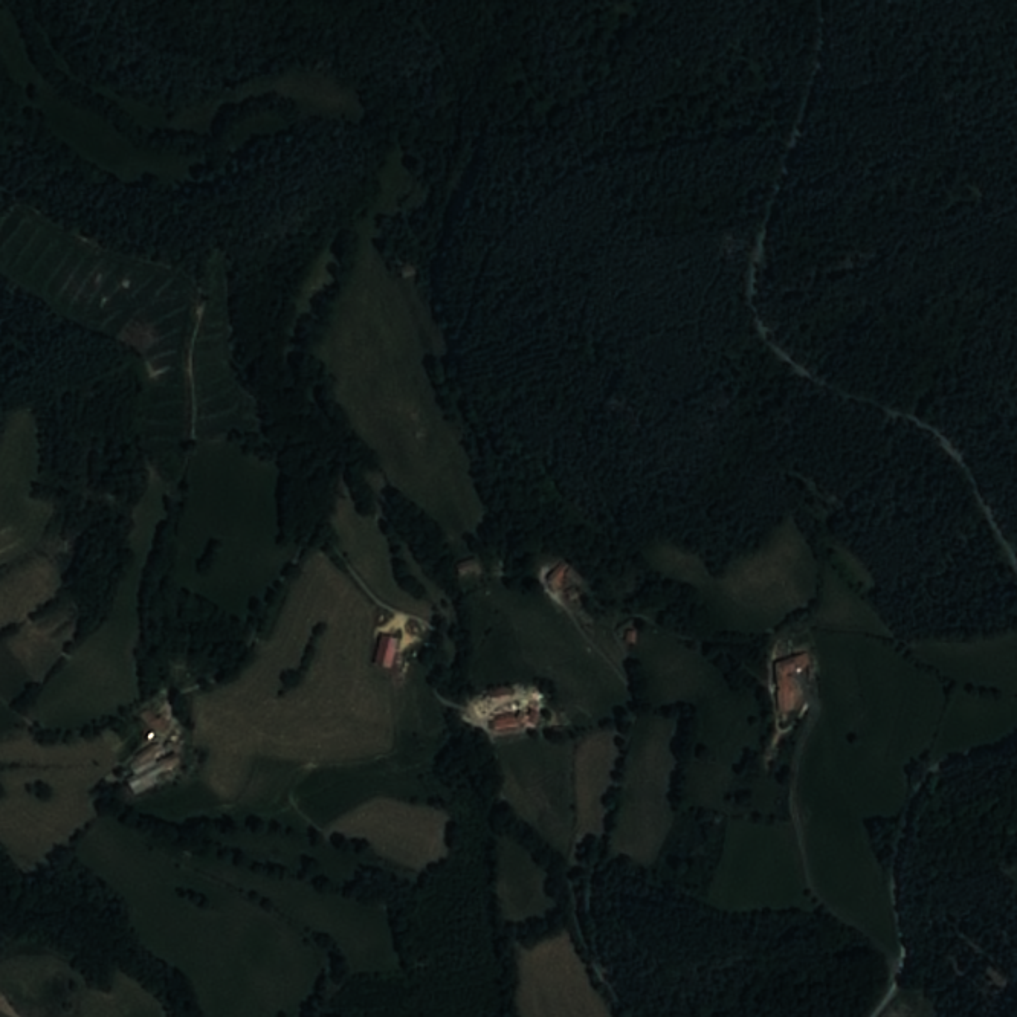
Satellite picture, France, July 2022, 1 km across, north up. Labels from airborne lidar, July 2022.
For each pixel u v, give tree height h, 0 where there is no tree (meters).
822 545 15
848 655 0
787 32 23
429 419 0
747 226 23
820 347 17
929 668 8
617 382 31
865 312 12
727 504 28
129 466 13
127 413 6
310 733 0
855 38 20
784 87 16
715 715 0
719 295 20
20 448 0
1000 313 15
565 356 24
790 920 15
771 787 0
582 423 16
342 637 0
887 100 25
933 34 15
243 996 0
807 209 18
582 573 11
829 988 23
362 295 0
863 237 16
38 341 8
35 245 0
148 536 0
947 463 25
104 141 0
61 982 0
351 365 0
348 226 22
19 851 0
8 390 23
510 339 34
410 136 24
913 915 18
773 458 22
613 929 15
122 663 0
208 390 0
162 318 0
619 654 0
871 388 28
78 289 0
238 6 15
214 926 0
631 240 18
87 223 22
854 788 0
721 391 24
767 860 0
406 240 12
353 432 12
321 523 18
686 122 7
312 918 0
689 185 20
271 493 0
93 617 14
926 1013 0
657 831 0
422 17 9
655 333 27
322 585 0
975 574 20
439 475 0
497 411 21
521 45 21
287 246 6
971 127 10
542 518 14
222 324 0
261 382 26
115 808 22
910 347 17
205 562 13
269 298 21
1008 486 18
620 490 22
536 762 0
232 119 21
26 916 22
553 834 0
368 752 0
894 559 22
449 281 31
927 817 12
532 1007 0
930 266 16
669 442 21
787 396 21
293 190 17
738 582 0
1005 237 20
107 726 9
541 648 0
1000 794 19
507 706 0
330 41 21
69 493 18
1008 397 18
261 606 20
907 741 0
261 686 0
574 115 18
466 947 9
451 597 10
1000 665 0
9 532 0
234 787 0
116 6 19
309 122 17
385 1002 6
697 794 0
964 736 0
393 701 0
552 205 23
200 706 0
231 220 19
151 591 20
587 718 0
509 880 0
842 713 0
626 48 19
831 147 20
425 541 23
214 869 0
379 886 16
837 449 31
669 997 12
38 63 20
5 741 0
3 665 0
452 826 15
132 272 0
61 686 0
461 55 17
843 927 7
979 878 23
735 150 25
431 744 0
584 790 0
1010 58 11
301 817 0
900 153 19
